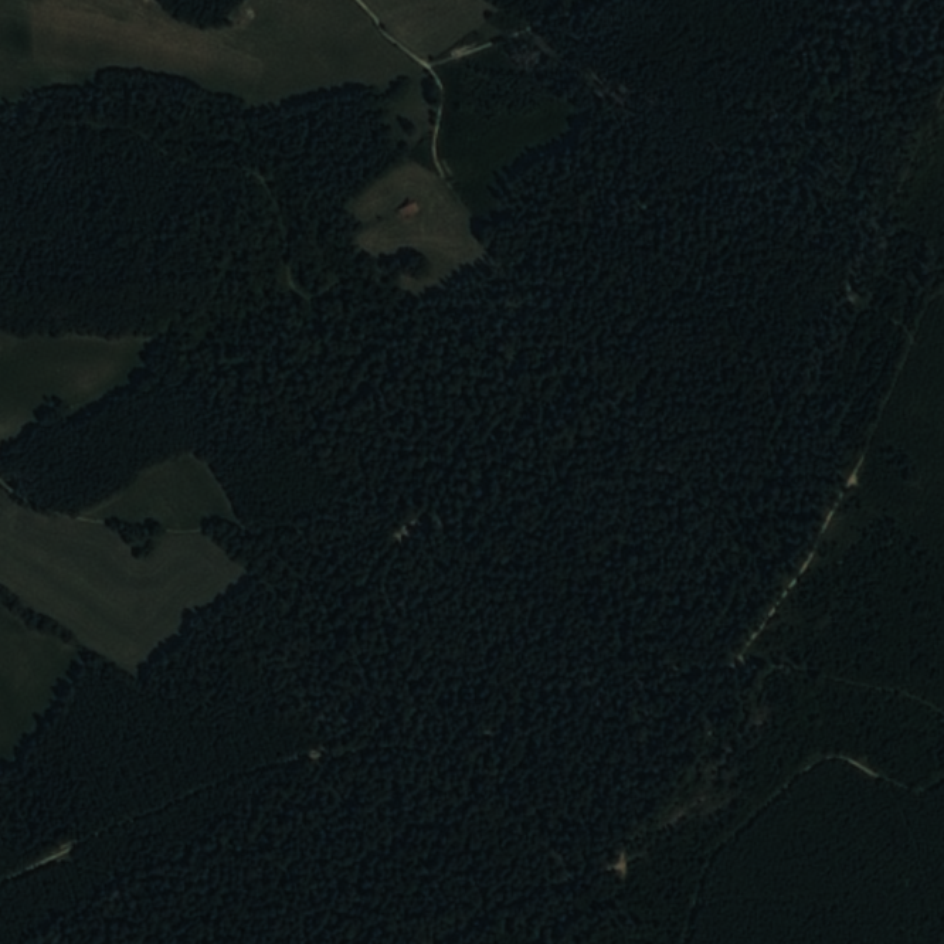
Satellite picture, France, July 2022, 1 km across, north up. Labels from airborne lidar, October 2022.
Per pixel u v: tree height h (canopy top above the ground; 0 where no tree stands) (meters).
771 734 10
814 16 26
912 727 6
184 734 14
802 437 38
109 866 14
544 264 29
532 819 30
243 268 13
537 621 31
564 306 26
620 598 24
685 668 22
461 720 31
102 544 0
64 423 22
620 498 28
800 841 8
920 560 11
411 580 30
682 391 26
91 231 16
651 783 28
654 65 24
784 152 26
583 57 28
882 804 13
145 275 21
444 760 28
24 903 13
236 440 23
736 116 17
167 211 14
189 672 23
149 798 15
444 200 0
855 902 14
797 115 27
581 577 25
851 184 7
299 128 20
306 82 0
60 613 0
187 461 0
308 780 24
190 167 13
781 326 16
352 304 25
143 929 29
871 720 8
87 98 30
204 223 23
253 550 23
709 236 26
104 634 0
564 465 23
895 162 13
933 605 10
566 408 30
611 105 21
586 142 21
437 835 28
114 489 20
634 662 32
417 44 0
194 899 27
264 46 0
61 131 17
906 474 13
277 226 13
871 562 9
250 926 24
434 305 14
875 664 6
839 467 31
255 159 14
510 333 36
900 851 15
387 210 0
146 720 15
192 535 0
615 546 26
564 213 16
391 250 0
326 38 0
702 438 34
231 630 23
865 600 8
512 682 20
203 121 16
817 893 11
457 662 27
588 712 30
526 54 29
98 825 15
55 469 28
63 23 0
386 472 21
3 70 0
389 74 0
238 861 25
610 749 20
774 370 22
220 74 0
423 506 34
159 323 24
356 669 34
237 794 20
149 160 14
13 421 0
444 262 0
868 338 9
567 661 20
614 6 20
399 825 31
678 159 23
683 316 18
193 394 21
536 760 27
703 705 33
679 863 10
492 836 27
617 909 31
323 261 10
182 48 0
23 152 21
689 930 6
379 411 29
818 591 7
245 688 13
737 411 22
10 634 0
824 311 13
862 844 13
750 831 12
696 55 15
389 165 16
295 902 28
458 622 26
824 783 7
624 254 26
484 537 29
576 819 27
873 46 12
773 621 7
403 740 23
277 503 13
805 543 36
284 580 24
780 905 15
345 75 0
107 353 0
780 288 21
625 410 36
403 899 34
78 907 18
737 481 35
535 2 17
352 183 17
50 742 21
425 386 27
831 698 6
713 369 28
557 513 30
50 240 21
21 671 0
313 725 22
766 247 22
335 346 25
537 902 27
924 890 16
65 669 0
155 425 20
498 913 27
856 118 23
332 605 29
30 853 19
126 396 21
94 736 18
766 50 20
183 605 0
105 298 22
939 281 13
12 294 25
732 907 13
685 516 28
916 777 6
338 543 18
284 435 16
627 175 32
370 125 17
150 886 17
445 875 35
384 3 0
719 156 20
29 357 0
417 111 0
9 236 24
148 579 0
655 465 32
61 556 0
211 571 0
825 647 6
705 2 14
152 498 0
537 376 28
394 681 29
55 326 21
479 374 19
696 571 34
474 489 35
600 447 25
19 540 0
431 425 31
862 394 6
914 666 10
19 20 0
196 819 17
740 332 22
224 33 0
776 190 21
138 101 14
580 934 10
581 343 26
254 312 5
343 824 31
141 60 0
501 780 22
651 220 29
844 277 14
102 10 0
